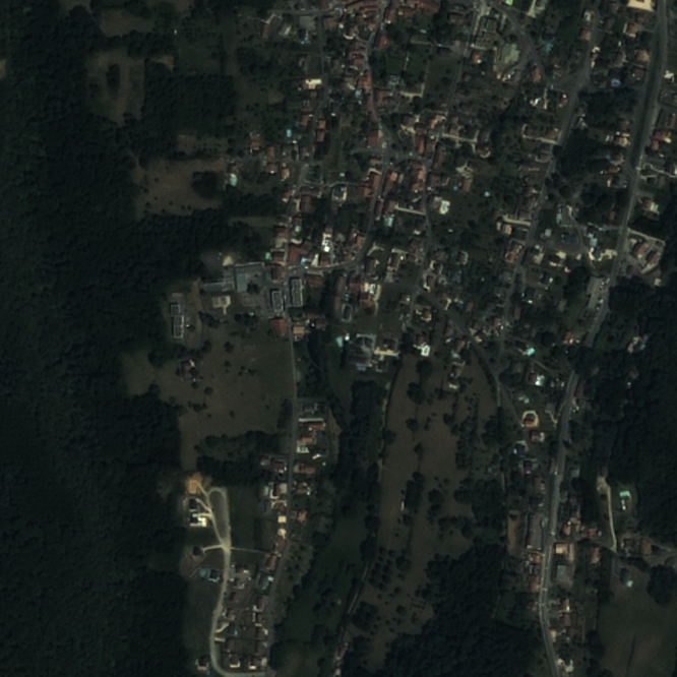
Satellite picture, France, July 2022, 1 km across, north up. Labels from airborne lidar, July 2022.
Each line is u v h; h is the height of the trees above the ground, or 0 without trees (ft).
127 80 0
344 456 54
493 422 25
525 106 17
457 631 55
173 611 57
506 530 23
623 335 19
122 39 31
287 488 0
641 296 75
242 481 19
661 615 0
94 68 0
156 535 86
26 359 41
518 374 27
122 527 94
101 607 38
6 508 31
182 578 51
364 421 66
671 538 44
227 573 0
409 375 0
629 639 0
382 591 39
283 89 25
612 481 50
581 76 0
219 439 20
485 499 52
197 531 0
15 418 32
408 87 27
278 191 34
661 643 0
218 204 0
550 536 0
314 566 57
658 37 0
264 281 0
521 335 18
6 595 52
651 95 0
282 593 0
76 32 73
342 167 0
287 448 0
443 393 46
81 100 47
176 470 67
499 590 25
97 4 53
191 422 0
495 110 28
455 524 52
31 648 60
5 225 62
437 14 19
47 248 92
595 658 61
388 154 0
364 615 57
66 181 83
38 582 65
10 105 57
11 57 47
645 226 34
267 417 0
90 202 47
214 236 65
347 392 0
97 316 104
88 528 58
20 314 49
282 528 0
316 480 22
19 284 64
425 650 55
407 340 38
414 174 0
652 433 64
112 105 0
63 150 67
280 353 0
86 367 56
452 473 0
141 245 49
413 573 0
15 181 62
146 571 63
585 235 0
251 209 29
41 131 71
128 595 62
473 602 62
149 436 70
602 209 45
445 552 0
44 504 37
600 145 27
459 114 0
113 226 46
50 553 72
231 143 40
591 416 37
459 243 22
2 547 82
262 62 25
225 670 0
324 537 28
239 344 0
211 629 0
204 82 40
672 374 71
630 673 0
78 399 93
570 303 21
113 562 60
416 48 34
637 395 46
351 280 0
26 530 78
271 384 0
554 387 24
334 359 0
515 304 30
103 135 45
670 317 83
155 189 0
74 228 58
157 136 19
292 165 0
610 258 0
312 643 24
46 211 110
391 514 0
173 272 71
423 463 0
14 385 45
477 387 0
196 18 52
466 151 24
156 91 45
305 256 0
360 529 0
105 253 64
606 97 33
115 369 48
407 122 0
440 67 0
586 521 58
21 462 43
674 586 67
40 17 82
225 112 27
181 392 0
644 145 0
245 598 0
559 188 26
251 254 26
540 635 22
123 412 24
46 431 51
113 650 79
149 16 38
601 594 34
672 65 0
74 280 83
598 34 0
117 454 99
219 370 0
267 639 0
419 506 33
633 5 0
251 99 0
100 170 61
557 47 18
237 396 0
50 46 83
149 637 82
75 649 60
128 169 28
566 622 0
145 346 86
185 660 39
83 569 66
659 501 44
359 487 26
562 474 0
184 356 24
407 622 0
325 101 0
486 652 80
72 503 34
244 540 0
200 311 0
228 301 0
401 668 45
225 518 0
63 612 70
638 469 47
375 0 0
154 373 0
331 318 50
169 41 38
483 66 28
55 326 97
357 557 0
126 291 72
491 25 0
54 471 27
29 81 80
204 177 28
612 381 46
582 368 67
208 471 56
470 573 39
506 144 22
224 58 42
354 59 0
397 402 0
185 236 63
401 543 0
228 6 53
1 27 54
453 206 0
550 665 0
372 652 0
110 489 78
